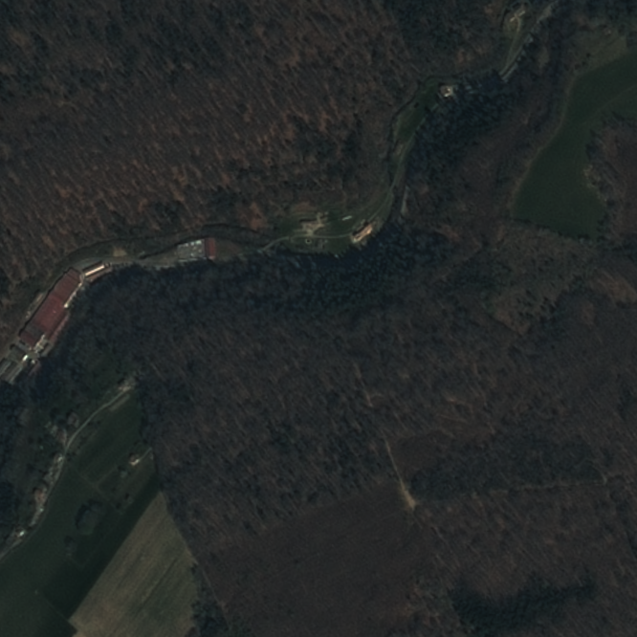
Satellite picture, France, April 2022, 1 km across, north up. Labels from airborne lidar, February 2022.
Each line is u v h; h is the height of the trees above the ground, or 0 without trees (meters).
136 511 0
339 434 26
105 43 26
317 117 25
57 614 0
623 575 22
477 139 13
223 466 28
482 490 22
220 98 28
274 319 33
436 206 8
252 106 30
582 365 27
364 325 25
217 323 29
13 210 29
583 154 0
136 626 0
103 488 0
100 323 22
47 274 30
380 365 22
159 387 22
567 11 15
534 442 28
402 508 13
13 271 29
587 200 0
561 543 20
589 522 26
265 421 29
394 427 27
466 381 29
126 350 28
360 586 8
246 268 26
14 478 11
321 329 25
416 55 31
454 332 10
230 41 25
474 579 21
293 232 0
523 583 20
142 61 27
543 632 27
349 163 11
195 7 27
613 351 26
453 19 25
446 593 19
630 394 23
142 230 17
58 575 0
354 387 28
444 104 0
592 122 0
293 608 13
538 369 26
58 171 27
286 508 25
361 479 26
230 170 29
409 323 21
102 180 24
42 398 0
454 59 31
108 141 28
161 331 28
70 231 24
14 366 0
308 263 0
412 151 0
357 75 31
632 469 24
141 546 0
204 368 28
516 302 0
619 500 24
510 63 0
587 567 20
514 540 25
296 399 28
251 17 29
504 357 26
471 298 17
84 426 0
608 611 20
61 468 0
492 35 22
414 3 21
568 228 0
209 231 18
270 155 22
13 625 0
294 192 15
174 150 29
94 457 0
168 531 0
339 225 0
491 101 7
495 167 7
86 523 19
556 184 0
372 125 18
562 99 20
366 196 16
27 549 0
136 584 0
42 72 26
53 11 33
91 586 0
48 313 0
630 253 26
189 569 0
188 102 28
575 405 26
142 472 0
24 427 25
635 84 0
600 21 15
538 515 28
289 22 33
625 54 0
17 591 0
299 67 0
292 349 25
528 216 0
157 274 25
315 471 25
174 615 0
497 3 33
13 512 27
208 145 28
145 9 28
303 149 22
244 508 25
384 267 16
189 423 31
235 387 29
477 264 14
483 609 19
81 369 24
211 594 20
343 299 23
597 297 20
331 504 19
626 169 13
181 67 32
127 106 30
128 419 0
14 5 27
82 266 0
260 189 27
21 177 30
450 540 27
